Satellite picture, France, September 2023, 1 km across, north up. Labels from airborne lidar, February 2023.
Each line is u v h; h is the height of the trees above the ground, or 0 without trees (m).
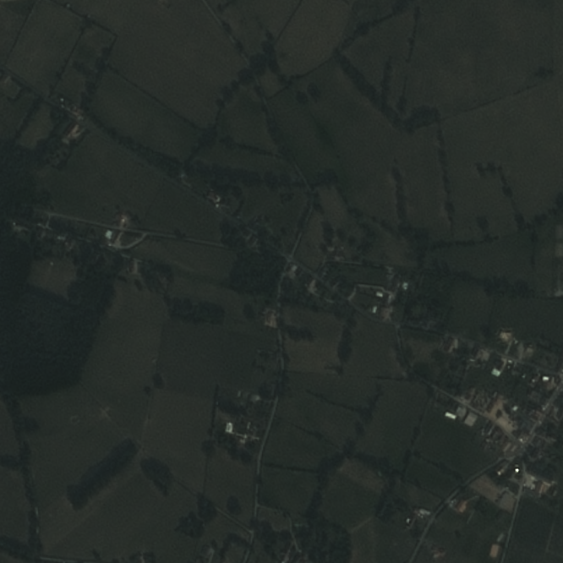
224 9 6
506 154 0
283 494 0
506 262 0
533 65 0
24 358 19
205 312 17
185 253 0
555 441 7
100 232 0
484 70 0
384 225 12
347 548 14
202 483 0
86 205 0
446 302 0
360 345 0
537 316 0
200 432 0
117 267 12
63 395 0
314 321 0
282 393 18
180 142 0
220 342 0
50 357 17
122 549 0
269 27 0
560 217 0
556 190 0
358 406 0
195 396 0
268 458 0
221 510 0
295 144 0
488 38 0
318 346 0
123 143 6
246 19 0
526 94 0
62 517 0
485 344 0
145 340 0
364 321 0
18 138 9
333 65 0
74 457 0
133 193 0
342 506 0
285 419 0
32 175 0
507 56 0
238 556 0
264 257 20
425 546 0
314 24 0
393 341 0
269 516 0
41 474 0
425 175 0
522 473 0
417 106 0
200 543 0
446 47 0
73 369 18
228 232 12
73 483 0
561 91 0
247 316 12
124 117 0
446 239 0
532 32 0
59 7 0
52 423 0
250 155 0
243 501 0
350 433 0
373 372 0
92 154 0
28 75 0
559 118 0
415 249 0
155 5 0
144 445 0
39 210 0
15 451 0
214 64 0
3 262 19
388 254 0
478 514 0
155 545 0
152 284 21
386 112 21
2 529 0
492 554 0
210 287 0
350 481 0
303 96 12
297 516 0
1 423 0
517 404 7
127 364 0
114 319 0
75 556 0
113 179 0
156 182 0
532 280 0
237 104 0
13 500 0
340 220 0
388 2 0
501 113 0
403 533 0
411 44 10
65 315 19
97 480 21
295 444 0
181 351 0
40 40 0
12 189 18
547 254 0
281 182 17
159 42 0
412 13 0
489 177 0
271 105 0
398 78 0
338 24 0
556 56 0
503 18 0
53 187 0
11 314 20
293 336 15
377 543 0
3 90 0
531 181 0
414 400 0
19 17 0
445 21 0
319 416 0
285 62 0
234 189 10
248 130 0
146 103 0
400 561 0
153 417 0
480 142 0
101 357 0
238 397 0
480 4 0
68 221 0
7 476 0
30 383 20
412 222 0
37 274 0
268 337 0
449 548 0
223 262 0
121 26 0
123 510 0
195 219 0
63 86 0
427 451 0
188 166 14
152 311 0
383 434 0
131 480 0
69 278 0
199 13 0
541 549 0
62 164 13
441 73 0
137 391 0
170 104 0
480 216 0
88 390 0
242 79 15
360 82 22
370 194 0
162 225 0
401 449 0
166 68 0
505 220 0
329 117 0
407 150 0
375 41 0
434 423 0
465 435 0
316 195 13
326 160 0
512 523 0
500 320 0
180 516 0
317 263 0
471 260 0
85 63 0
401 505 14
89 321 16
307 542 7
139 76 0
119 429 0
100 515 0
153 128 0
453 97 0
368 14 0
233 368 0
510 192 14
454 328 0
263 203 0
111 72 7
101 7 0
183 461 0
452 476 10
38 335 21
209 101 0
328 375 0
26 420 0
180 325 0
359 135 0
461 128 0
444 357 0
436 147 0
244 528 0
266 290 17
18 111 0
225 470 0
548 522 0
